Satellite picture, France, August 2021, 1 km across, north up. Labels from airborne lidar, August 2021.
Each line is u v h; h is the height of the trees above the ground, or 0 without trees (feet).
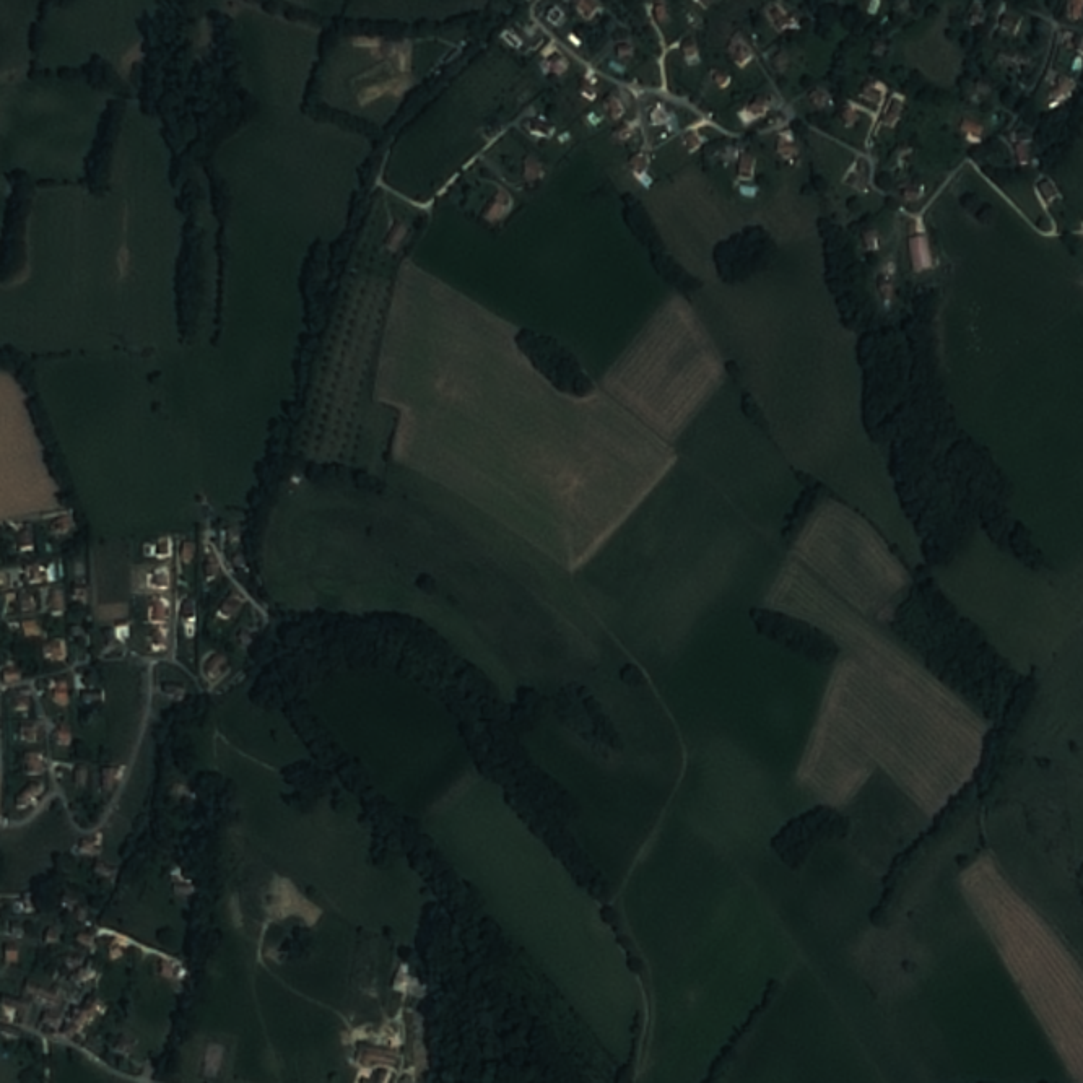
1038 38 46
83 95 0
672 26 0
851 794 0
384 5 0
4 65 0
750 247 65
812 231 0
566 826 50
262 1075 0
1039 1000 0
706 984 0
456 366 0
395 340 0
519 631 0
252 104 68
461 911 94
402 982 0
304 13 26
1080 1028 0
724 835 0
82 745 38
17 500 0
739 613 0
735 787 0
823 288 0
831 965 0
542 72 0
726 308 0
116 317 0
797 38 56
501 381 0
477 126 0
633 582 0
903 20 37
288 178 0
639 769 0
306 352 51
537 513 0
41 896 72
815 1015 0
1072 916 0
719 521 0
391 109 0
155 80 59
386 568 0
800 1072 0
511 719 60
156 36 81
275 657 78
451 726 0
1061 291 0
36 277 0
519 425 0
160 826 44
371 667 66
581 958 0
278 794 0
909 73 41
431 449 0
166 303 0
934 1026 0
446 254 0
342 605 0
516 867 0
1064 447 0
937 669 34
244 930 0
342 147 0
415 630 65
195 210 72
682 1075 0
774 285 0
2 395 0
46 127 0
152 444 0
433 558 0
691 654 0
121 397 0
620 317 0
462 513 0
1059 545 0
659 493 0
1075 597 0
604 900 22
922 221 0
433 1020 93
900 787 0
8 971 0
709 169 26
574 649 0
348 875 0
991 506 82
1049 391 0
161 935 37
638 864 0
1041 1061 0
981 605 0
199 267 75
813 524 0
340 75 0
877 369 68
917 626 27
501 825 0
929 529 61
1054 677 0
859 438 0
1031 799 0
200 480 0
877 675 0
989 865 0
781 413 0
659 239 47
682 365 0
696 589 0
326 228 0
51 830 0
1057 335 0
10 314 0
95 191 52
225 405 0
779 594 0
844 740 0
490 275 0
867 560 0
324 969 0
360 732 0
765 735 0
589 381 35
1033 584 0
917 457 82
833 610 0
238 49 74
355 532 0
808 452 0
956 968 0
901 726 0
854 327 72
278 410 0
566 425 0
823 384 0
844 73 56
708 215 0
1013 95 47
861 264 39
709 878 0
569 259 0
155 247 0
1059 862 0
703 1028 0
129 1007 60
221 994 0
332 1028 0
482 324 0
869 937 0
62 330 0
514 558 0
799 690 0
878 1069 0
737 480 0
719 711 0
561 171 0
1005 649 0
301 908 0
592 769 0
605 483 0
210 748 0
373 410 0
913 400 60
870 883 0
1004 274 0
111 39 0
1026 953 0
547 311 0
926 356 81
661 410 0
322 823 0
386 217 0
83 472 0
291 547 0
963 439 55
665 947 0
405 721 0
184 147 67
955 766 0
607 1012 0
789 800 0
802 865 36
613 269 0
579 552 0
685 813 0
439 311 0
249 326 0
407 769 0
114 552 0
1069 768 0
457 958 96
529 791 80
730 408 0
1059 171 36
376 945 0
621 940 36
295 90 0
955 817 43
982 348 0
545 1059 49
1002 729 28
